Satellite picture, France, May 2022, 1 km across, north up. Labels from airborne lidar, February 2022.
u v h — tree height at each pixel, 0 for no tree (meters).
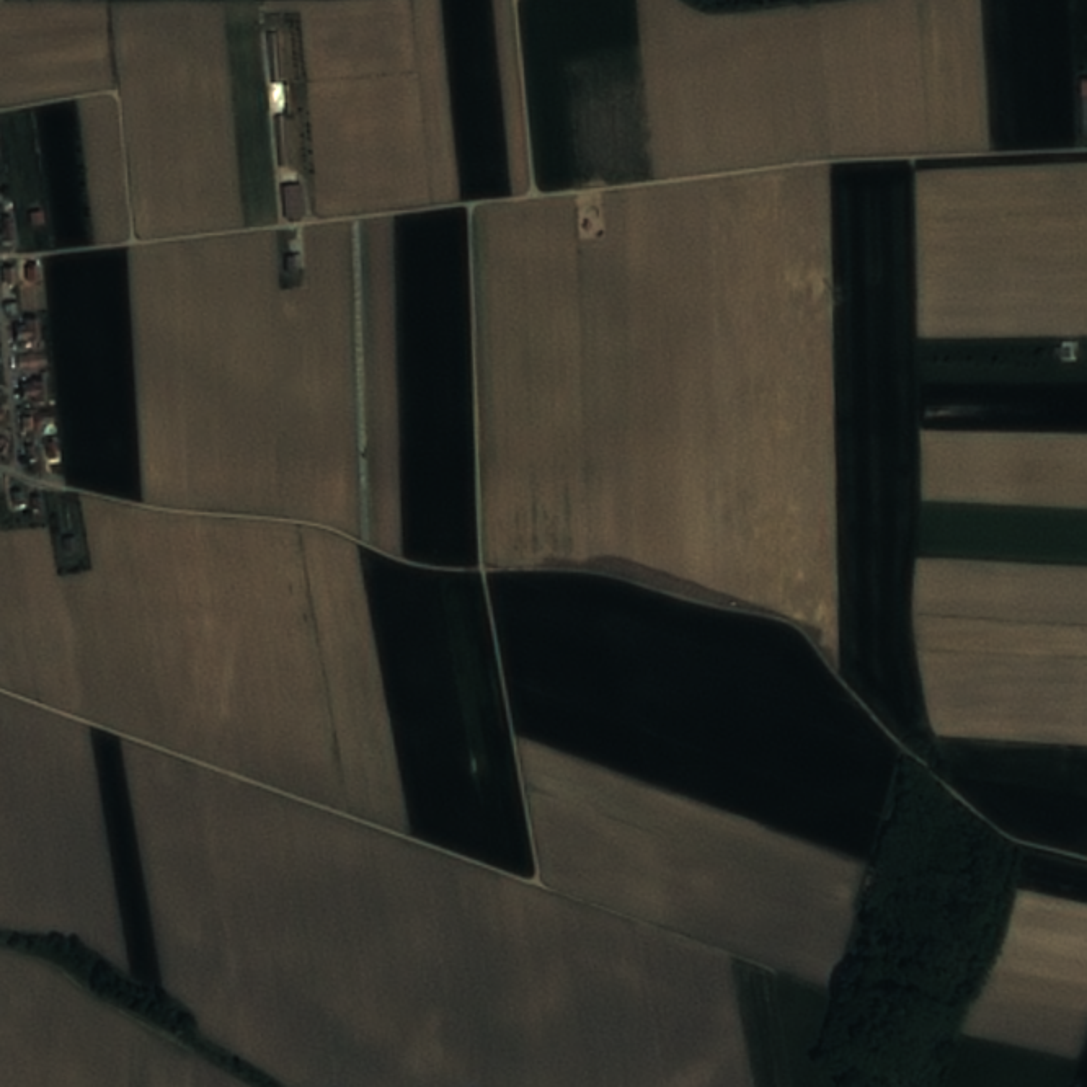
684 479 0
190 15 0
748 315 0
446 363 0
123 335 0
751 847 0
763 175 0
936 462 0
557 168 0
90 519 0
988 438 0
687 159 0
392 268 0
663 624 0
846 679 0
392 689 0
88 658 0
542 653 0
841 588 0
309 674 0
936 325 0
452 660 0
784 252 0
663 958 0
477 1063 0
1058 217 0
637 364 0
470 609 0
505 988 0
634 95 0
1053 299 0
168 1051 0
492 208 0
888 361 0
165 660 0
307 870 0
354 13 0
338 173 0
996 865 15
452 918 0
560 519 0
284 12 0
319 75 0
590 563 0
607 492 0
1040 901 0
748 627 0
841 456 0
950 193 0
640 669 0
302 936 0
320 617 0
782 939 0
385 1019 0
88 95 0
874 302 0
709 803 0
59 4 0
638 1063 0
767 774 0
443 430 0
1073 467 0
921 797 13
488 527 0
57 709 0
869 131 0
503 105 0
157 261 0
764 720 0
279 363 0
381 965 0
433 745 0
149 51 0
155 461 0
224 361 0
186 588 0
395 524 0
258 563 0
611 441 0
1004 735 0
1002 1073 0
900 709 0
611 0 0
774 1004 0
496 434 0
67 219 0
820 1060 10
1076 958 0
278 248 0
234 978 0
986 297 0
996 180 0
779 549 0
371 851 0
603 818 0
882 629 0
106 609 0
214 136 0
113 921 0
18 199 0
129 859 0
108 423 0
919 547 0
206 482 0
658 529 0
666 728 0
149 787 0
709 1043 0
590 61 0
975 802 0
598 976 0
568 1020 0
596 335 0
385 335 0
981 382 0
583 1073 0
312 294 0
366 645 0
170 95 0
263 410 0
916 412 0
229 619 0
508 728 0
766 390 0
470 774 0
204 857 0
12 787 0
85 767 0
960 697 0
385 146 0
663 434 0
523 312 0
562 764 0
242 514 0
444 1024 0
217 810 0
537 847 0
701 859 0
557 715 0
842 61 0
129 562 0
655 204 0
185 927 0
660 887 0
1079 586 0
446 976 0
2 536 0
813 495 0
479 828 0
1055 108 0
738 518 0
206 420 0
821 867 0
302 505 0
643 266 0
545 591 0
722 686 0
